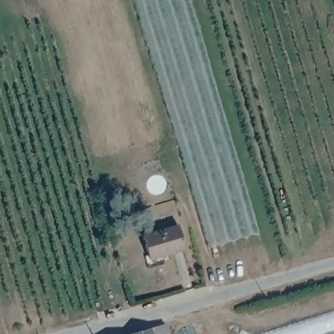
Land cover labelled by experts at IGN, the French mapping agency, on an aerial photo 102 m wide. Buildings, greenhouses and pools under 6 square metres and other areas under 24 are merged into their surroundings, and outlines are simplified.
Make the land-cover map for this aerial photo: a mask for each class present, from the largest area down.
<instances>
[{"label":"herbaceous vegetation","instance_id":"1","mask_svg":"<svg viewBox=\"0 0 334 334\"><path fill-rule=\"evenodd\" d=\"M9 4V12L16 17H22L25 25L39 23V17H48L44 9L47 0H5ZM127 9L128 21L132 26L146 83L157 107L162 136L160 140L140 147L130 142L120 153L108 155L112 160L111 170L100 175L98 180H87V183L91 194H98L99 189L107 192L114 188L110 179H117L129 189L140 190L142 202L146 205L145 210L149 213L150 220L155 223L153 230L164 231L177 223L183 231V239L189 241L188 227H192L196 236L205 286H214L215 282L224 281L228 286L334 257V0H121ZM220 12H224L230 27L236 59L239 61L250 106L256 117V127L250 124ZM234 83L249 130L250 142L269 193L270 206L277 220L278 236H274L267 219L264 196L237 120L230 89V85ZM257 106L264 110L271 144L281 167L292 213L296 217V222H292L291 217L286 219L288 235H284L282 220L262 163L260 147L254 140V132L260 133L267 166L273 176L275 187H282L275 174ZM154 175L166 179V190L163 193L151 194L147 190V180ZM53 46L56 47L65 74L69 69L67 53L64 50L63 39L56 31L53 33ZM70 98L80 123L83 144L87 154L93 151L89 127L82 116L83 103L74 93L70 94ZM119 241L107 243V256L100 261L98 269L93 270L97 279L99 299L93 309L76 312L69 305L65 309L52 308V313L48 314L46 308H35L20 261L21 257H25L26 262L30 261L31 256L0 158V334H43L61 327L89 324L93 318H98V312L110 311L111 314L114 313V309L123 311L130 305L121 290V278H125V286L136 296L174 286H183V292L193 288L192 282L197 281V274L188 273L189 267L194 265L192 250L189 247H185L183 253L176 254V257L153 262L147 257L149 247L145 241V232L141 230L140 235H137L133 227L116 228ZM334 282V275L308 279L294 286H287L283 291L257 294L240 303L235 300L193 312L187 309L184 316L176 314L174 320L168 321L167 324L171 325V334H265L334 312V291L313 297H301L294 303L281 304L254 313H236L235 309L247 307L260 300L288 295L304 288Z\"/></svg>","mask_w":334,"mask_h":334},{"label":"deciduous trees","instance_id":"2","mask_svg":"<svg viewBox=\"0 0 334 334\"><path fill-rule=\"evenodd\" d=\"M39 23L25 25L22 17H16L9 12V4L5 0H0V158L31 256L30 261L26 262L25 257H21L20 261L35 308H46L48 314L52 313V308L65 309L69 305L76 312L93 309L99 299L97 279L93 270L98 269L100 261L107 256V243L119 241L116 228L115 220L111 217L114 188L107 192L99 189L98 194H91L87 183V180H98L100 175L111 170L112 160L108 155L95 157L93 151L87 154L83 144L80 123L70 98V94L74 93L72 86L65 82V74L56 47L53 46V33L56 31L48 17H39ZM250 124L256 127V117L250 106L239 61L236 59L230 27L224 12H220ZM230 89L237 120L264 196L267 219L274 236H278L277 220L270 206L269 193L250 142L249 130L234 83L230 85ZM275 174L282 187H275L273 176L267 166L260 133L254 132V140L260 147L262 163L282 220L284 235H288L286 219L291 217L292 222H296V217L292 213L281 167L271 144L264 110L257 106Z\"/></svg>","mask_w":334,"mask_h":334},{"label":"plowed land","instance_id":"3","mask_svg":"<svg viewBox=\"0 0 334 334\"><path fill-rule=\"evenodd\" d=\"M44 9L48 17L56 31L63 39L64 50L67 53L69 69L65 74V82L72 86L74 93L83 103L82 116L89 127L93 151L95 157L108 155L120 153L130 142L140 147L160 140L162 136L157 107L146 83L132 26L128 21L127 9L121 0H47Z\"/></svg>","mask_w":334,"mask_h":334},{"label":"impervious surface","instance_id":"4","mask_svg":"<svg viewBox=\"0 0 334 334\"><path fill-rule=\"evenodd\" d=\"M147 190L151 194L163 193L166 190V179L154 175L147 180ZM334 275V257L228 286L224 281L215 282L214 286H205L193 288L183 292L162 297L147 305H130L123 311L114 309V313L111 314L110 311L98 312V318H93L89 324L61 327L43 334H134L153 329L163 322L167 324L168 321L174 320L176 314L184 316L187 309L193 312L235 300L240 303L257 294L283 291L287 286H294L308 279Z\"/></svg>","mask_w":334,"mask_h":334},{"label":"brushwood","instance_id":"5","mask_svg":"<svg viewBox=\"0 0 334 334\"><path fill-rule=\"evenodd\" d=\"M189 241V247L192 250L194 265L189 267L188 273L197 274V281L192 282L193 288L205 286L196 236L192 227H188ZM121 290L130 305H147L162 297L183 292V286H174L136 296L125 286V278H121ZM334 291V282L304 288L288 295L260 300L247 307L235 309L236 313H254L281 304L294 303L301 297H313Z\"/></svg>","mask_w":334,"mask_h":334},{"label":"coniferous trees","instance_id":"6","mask_svg":"<svg viewBox=\"0 0 334 334\"><path fill-rule=\"evenodd\" d=\"M114 188L111 217L115 220L116 228L133 227L137 235H140L141 230L145 232L153 230L155 223L150 220L149 213L145 210L146 205L142 202L140 190L129 189L117 179H110Z\"/></svg>","mask_w":334,"mask_h":334},{"label":"building","instance_id":"7","mask_svg":"<svg viewBox=\"0 0 334 334\"><path fill-rule=\"evenodd\" d=\"M145 241L149 247L147 257L153 262L176 257V254L183 253L185 247H189V241L183 239V231L177 223L164 231L153 230L145 232ZM171 325L167 324L163 322L153 329L134 334H171Z\"/></svg>","mask_w":334,"mask_h":334},{"label":"greenhouse","instance_id":"8","mask_svg":"<svg viewBox=\"0 0 334 334\"><path fill-rule=\"evenodd\" d=\"M265 334H334V312Z\"/></svg>","mask_w":334,"mask_h":334}]
</instances>
